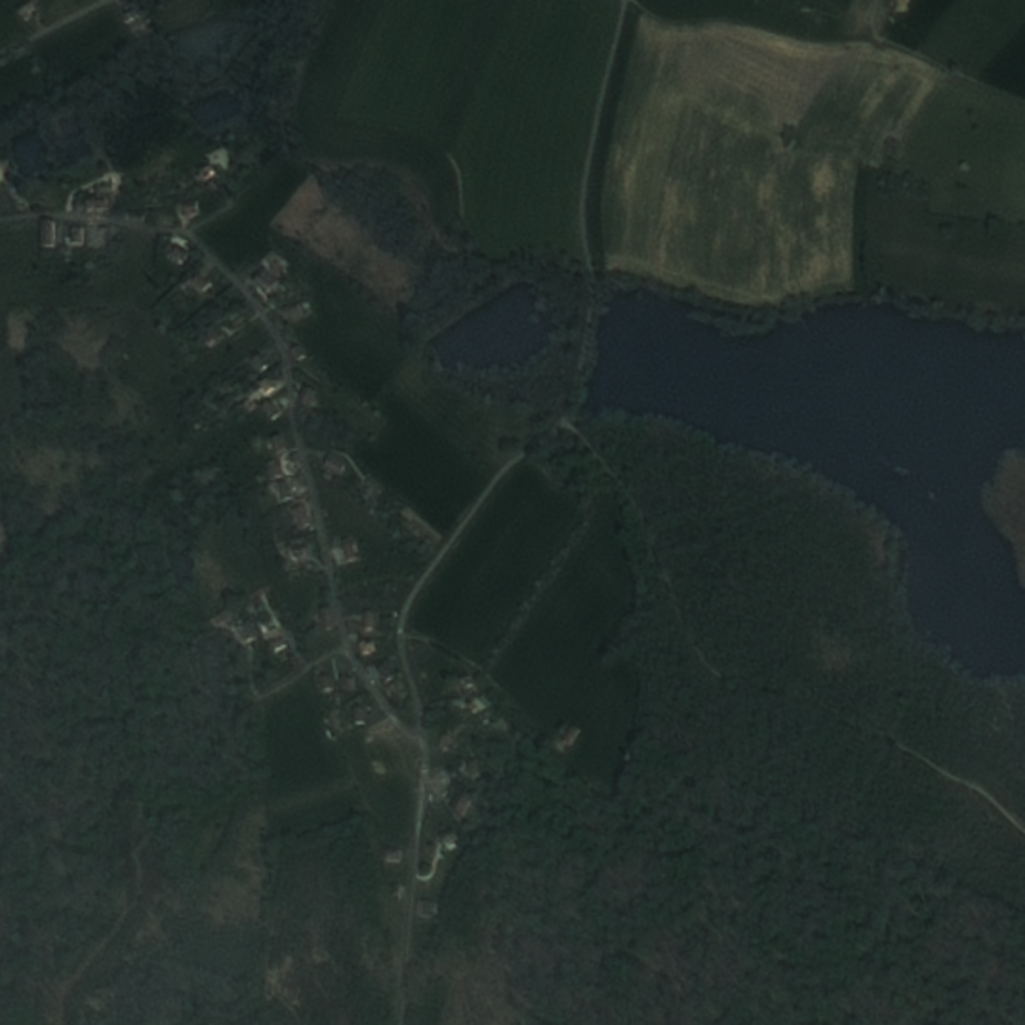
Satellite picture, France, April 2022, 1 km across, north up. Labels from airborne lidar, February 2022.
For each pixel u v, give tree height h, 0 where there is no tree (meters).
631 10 0
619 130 0
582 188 0
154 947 12
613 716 0
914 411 0
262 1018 7
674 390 0
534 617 0
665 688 18
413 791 0
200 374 0
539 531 0
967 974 27
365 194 7
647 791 21
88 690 29
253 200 0
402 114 0
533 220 0
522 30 0
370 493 7
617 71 0
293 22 21
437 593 0
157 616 23
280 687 0
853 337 0
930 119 0
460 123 0
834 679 20
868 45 0
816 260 0
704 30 0
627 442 20
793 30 0
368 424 0
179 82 19
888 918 28
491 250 0
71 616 28
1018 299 0
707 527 17
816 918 28
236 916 0
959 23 0
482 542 0
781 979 28
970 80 0
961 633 0
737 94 0
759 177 0
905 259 0
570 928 26
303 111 0
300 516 0
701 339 0
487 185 0
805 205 0
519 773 14
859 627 21
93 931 26
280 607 0
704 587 21
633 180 0
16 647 30
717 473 18
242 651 11
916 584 0
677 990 30
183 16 0
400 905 0
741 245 0
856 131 0
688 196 0
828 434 0
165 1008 23
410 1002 11
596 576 0
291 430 0
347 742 0
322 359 0
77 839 28
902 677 16
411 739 0
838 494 13
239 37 16
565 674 0
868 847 25
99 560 26
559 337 19
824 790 17
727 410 0
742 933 29
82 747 27
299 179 0
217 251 0
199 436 0
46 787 27
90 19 0
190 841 26
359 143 0
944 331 0
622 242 0
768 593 19
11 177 9
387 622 7
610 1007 27
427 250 0
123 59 23
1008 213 0
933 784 8
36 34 0
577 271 11
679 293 16
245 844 0
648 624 17
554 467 18
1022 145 0
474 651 0
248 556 0
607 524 0
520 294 0
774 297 0
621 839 24
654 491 19
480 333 0
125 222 16
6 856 26
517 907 21
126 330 0
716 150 0
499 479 0
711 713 20
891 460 0
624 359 0
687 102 0
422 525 0
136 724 26
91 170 9
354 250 0
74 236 0
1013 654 0
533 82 0
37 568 23
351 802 0
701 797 30
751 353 0
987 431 0
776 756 22
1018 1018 28
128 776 28
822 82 0
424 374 0
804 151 0
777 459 14
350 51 0
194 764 30
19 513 22
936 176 0
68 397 17
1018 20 0
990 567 0
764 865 24
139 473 12
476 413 0
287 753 0
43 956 29
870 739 17
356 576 0
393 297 0
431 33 0
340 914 8
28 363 19
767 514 19
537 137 0
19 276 0
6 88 0
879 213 0
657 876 23
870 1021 29
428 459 0
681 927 29
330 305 0
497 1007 0
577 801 21
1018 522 0
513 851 24
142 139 0
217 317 17
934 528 0
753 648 18
